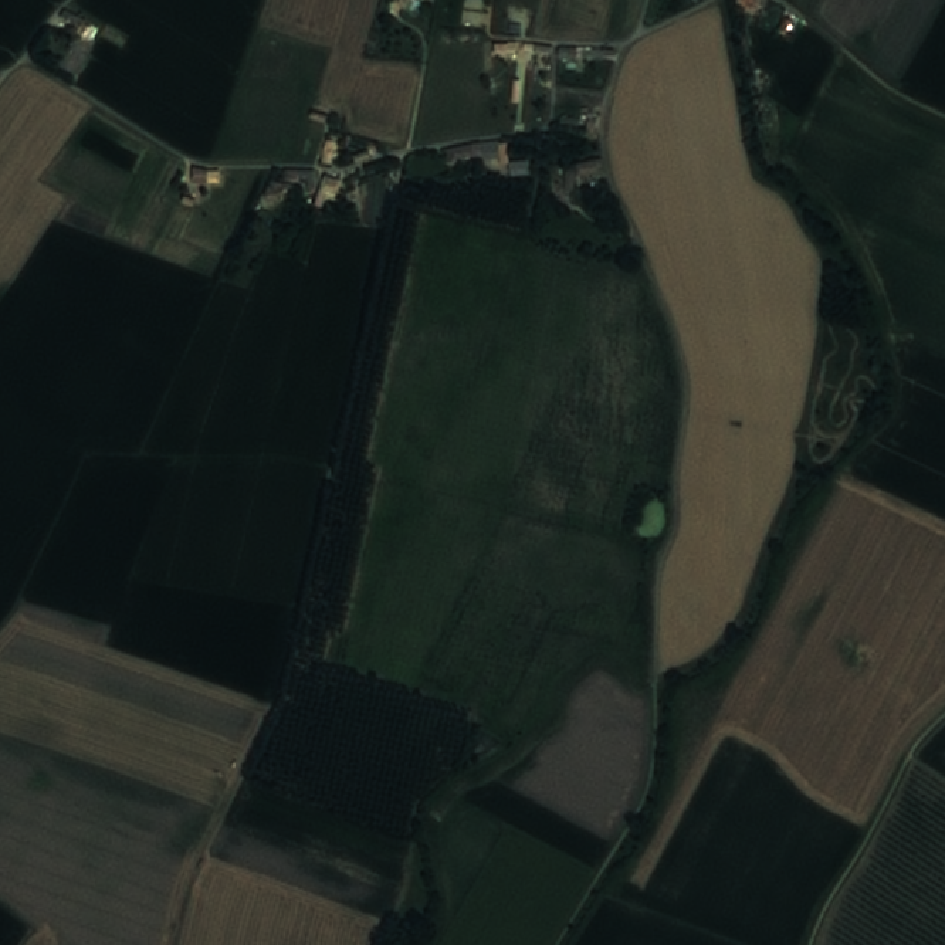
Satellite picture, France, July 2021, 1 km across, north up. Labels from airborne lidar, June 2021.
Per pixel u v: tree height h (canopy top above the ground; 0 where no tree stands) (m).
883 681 0
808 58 0
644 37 0
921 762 0
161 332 0
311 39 0
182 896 0
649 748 0
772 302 0
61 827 0
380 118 0
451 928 0
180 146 0
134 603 0
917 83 0
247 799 0
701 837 0
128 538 0
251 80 0
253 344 0
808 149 0
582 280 0
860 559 0
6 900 0
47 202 0
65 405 0
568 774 0
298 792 15
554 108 0
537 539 0
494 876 0
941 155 0
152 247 0
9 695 0
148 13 0
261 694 0
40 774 0
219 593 0
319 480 0
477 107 0
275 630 0
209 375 0
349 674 21
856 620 0
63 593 0
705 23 0
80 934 0
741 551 0
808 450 0
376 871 0
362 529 25
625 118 0
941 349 0
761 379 0
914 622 0
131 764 0
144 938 0
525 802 0
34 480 0
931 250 0
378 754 26
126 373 0
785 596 0
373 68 0
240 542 0
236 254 20
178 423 0
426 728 27
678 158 0
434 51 0
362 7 0
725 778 0
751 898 0
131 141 0
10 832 0
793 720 0
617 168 0
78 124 0
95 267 0
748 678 0
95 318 0
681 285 0
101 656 0
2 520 0
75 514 0
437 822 0
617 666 0
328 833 0
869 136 0
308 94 0
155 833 0
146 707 0
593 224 6
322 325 0
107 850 0
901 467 0
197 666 0
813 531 0
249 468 0
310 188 0
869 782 0
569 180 0
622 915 0
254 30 0
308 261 0
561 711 0
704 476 0
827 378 0
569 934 7
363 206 0
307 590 21
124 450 0
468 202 20
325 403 0
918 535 0
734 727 0
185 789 0
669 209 0
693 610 0
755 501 0
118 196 0
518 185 15
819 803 0
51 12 0
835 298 19
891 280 0
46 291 0
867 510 0
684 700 0
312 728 27
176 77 0
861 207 0
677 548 0
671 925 0
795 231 0
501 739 0
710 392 0
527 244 0
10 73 0
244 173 0
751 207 0
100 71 0
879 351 9
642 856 0
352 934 0
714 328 0
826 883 0
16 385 0
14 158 0
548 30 0
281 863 0
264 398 0
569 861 0
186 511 0
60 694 0
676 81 0
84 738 0
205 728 0
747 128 12
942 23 0
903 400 0
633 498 11
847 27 0
